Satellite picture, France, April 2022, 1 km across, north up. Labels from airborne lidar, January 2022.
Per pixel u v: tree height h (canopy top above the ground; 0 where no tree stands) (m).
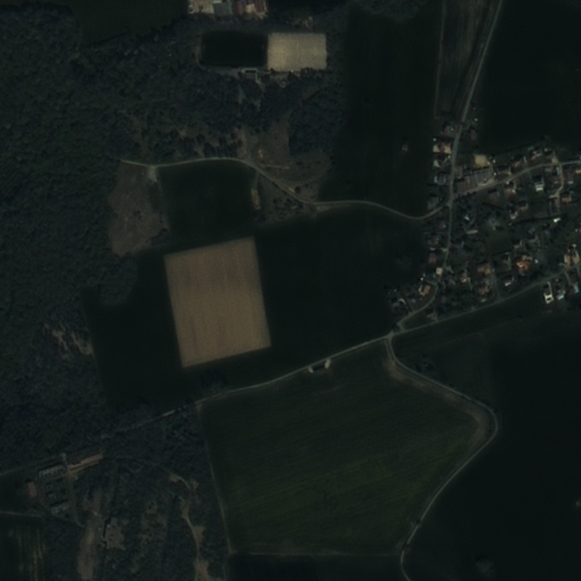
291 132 9
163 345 0
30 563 0
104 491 8
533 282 10
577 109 0
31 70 25
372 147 0
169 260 0
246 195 0
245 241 0
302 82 13
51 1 0
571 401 0
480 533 0
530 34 0
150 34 0
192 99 18
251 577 0
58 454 17
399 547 0
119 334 0
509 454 0
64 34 31
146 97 13
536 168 0
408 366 0
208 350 0
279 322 0
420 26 0
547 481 0
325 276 0
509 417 0
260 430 0
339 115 11
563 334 0
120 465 12
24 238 20
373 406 0
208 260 0
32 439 33
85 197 21
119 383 0
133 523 7
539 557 0
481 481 0
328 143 16
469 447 0
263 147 0
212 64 0
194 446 15
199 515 10
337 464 0
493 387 0
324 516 0
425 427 0
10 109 28
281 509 0
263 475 0
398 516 0
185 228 0
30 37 23
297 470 0
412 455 0
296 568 0
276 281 0
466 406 0
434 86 0
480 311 0
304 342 0
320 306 0
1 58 23
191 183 0
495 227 0
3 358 20
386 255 0
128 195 0
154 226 0
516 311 0
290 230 0
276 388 0
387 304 0
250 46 0
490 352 0
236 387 0
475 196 6
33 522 0
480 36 0
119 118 17
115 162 19
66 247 19
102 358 0
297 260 0
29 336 16
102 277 18
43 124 23
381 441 0
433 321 0
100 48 9
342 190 0
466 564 0
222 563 11
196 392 0
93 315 0
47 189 22
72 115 24
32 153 18
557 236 12
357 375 0
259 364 0
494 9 0
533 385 0
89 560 0
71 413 33
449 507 0
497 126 0
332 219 0
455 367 0
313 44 0
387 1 19
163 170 0
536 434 0
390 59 0
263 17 0
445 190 9
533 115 0
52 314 15
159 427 22
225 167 0
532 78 0
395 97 0
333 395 0
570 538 0
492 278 0
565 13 0
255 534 0
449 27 0
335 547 0
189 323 0
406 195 0
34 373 10
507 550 0
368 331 0
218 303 0
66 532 16
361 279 0
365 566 0
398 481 0
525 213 0
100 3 0
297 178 0
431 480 0
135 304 0
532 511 0
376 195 0
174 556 7
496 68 0
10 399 20
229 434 0
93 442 21
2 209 21
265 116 14
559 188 0
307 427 0
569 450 0
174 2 0
